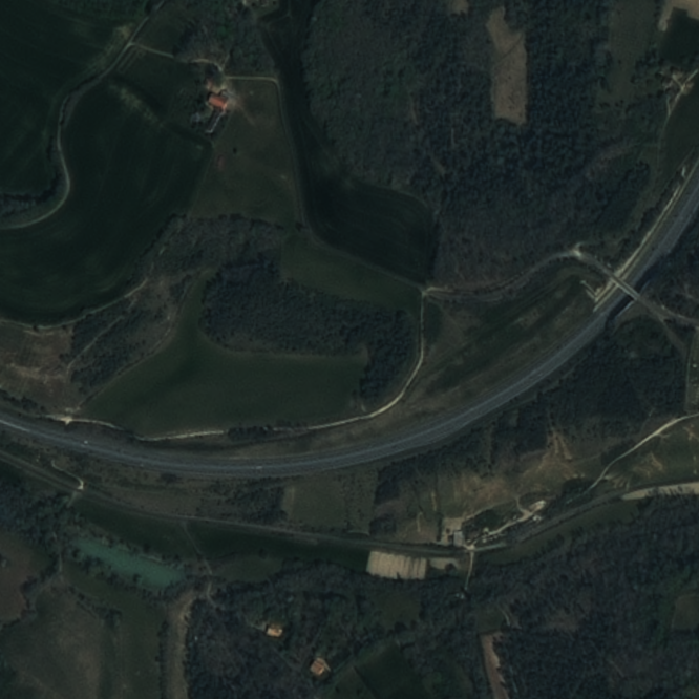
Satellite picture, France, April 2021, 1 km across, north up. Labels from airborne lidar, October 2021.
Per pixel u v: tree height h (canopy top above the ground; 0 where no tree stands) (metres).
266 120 0
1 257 0
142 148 0
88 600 8
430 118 8
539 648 12
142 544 0
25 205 17
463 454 10
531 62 7
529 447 11
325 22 20
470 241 10
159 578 0
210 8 22
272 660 17
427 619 17
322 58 16
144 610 0
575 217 10
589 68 14
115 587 10
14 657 0
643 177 10
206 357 0
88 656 0
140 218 0
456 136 6
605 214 12
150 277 14
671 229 0
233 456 0
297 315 9
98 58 0
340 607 21
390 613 0
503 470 0
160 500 0
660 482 0
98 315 6
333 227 0
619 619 12
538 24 6
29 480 0
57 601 0
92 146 0
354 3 15
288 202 0
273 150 0
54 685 0
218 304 12
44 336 0
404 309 0
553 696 13
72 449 0
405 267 0
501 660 16
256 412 0
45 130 0
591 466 0
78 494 0
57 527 10
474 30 16
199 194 0
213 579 10
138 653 0
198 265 15
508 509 0
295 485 0
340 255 0
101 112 0
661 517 8
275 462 0
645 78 11
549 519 15
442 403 0
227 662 18
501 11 0
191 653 14
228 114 7
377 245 0
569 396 15
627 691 15
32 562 0
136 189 0
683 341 14
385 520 13
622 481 0
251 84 0
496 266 14
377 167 21
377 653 19
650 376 14
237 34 19
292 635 10
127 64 0
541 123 17
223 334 7
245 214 0
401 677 0
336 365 0
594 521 0
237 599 25
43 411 7
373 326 12
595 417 11
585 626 8
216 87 24
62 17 0
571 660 9
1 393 7
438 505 0
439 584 10
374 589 8
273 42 0
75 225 0
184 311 0
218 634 19
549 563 9
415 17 17
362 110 17
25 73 0
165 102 0
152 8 24
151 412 0
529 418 11
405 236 0
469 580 7
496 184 26
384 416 0
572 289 0
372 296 0
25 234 0
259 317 7
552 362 0
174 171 0
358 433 0
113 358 10
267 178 0
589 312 0
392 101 24
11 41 0
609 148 15
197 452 0
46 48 0
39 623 0
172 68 0
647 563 8
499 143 13
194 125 7
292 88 0
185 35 0
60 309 0
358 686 0
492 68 15
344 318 10
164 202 0
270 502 6
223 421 0
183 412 0
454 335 0
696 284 19
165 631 10
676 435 0
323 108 15
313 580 10
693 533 25
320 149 0
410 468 9
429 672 24
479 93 6
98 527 0
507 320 0
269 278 18
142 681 0
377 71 18
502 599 15
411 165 14
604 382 18
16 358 0
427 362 0
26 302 0
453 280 13
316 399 0
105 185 0
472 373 0
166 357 0
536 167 18
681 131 0
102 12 16
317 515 0
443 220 13
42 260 0
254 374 0
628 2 0
